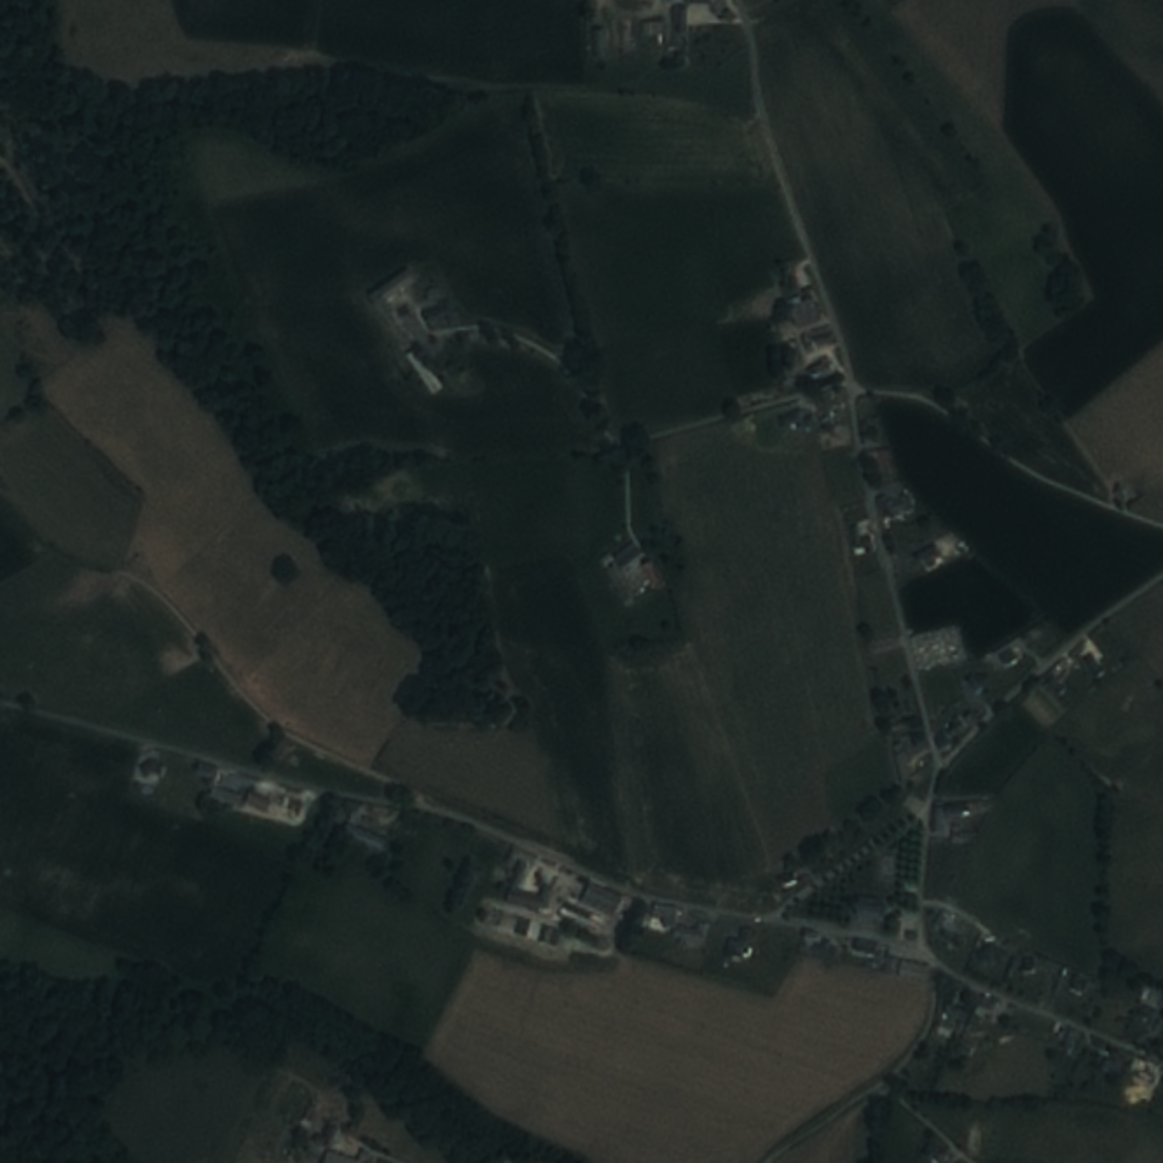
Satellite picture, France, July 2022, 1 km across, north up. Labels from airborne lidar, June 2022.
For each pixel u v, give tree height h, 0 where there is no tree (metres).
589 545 0
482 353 0
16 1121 35
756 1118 0
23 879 0
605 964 0
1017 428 0
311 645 0
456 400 0
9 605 0
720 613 0
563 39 0
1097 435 0
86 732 0
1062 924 0
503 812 0
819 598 0
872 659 0
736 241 0
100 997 24
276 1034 28
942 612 0
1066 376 0
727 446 0
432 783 0
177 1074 0
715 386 0
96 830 0
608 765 0
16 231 27
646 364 0
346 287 0
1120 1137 0
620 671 0
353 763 0
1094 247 0
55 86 34
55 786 0
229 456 0
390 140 15
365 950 0
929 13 0
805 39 0
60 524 0
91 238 30
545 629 0
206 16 0
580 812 0
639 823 0
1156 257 0
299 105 35
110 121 16
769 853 0
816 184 0
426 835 0
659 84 0
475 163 0
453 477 0
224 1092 0
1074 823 0
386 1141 0
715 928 0
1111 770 0
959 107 0
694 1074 0
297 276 0
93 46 0
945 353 0
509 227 0
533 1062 0
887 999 0
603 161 0
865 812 15
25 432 0
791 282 0
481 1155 14
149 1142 0
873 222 0
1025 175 0
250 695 0
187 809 0
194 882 0
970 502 0
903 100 0
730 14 7
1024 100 0
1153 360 0
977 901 0
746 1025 0
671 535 8
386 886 10
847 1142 0
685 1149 0
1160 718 0
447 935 0
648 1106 0
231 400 25
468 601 27
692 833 0
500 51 0
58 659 0
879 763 0
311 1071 0
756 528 0
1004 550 0
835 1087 0
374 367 0
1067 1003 0
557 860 0
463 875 16
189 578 0
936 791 8
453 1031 0
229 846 0
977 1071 0
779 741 0
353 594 0
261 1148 0
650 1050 0
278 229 0
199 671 0
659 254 0
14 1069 29
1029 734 0
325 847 11
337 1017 23
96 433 0
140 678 0
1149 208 0
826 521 0
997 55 0
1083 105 0
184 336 29
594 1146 0
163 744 0
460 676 31
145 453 0
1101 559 0
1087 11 0
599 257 0
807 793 0
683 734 0
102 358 0
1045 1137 0
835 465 0
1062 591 0
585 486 0
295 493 30
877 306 0
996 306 17
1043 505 0
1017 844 0
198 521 0
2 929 0
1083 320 0
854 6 13
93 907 0
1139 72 0
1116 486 6
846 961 0
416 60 0
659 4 0
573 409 0
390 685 0
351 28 0
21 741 0
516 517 0
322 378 0
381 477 9
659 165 0
